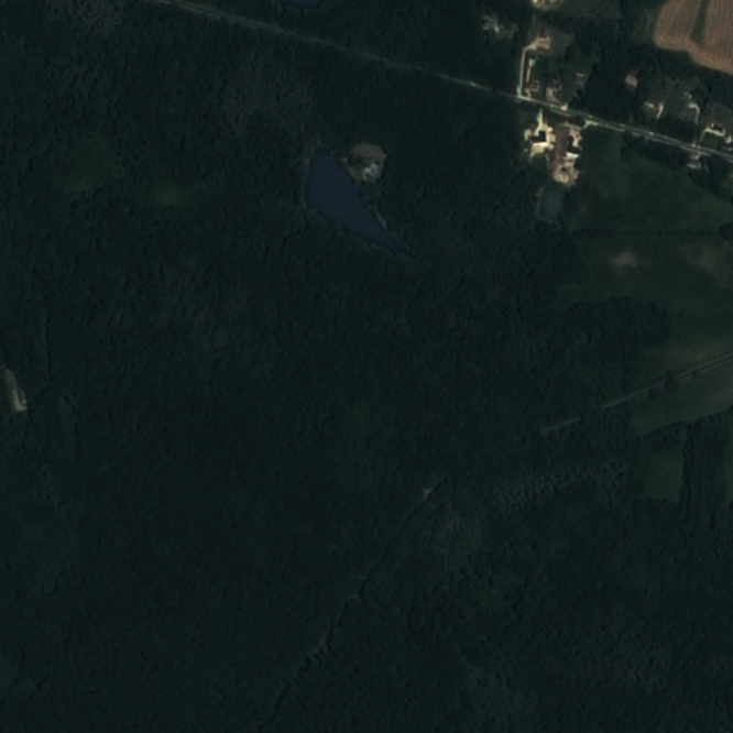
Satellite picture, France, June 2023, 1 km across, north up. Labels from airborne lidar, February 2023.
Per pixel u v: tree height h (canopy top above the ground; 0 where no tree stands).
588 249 0
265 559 17
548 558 28
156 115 13
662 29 0
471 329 19
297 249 25
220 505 27
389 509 17
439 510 16
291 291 16
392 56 20
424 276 25
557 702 20
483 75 23
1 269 21
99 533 27
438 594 19
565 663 18
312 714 32
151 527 25
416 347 18
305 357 20
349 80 21
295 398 17
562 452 20
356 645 32
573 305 0
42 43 21
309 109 21
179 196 0
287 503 19
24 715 35
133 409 24
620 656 17
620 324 22
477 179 15
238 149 19
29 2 23
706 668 23
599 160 0
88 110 21
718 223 0
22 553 25
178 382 28
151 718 35
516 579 25
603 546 26
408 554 22
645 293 0
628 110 22
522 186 21
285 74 21
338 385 20
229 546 23
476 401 20
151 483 23
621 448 24
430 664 21
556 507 25
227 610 29
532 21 17
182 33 22
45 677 30
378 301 19
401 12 22
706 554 28
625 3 19
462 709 20
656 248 0
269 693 31
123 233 24
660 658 23
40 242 23
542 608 17
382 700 30
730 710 25
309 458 21
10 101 21
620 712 19
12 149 6
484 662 20
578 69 0
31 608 30
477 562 19
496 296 25
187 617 30
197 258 23
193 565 22
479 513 18
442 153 16
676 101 0
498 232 23
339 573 23
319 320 20
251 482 27
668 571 24
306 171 17
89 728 33
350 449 19
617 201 0
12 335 24
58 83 22
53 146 22
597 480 25
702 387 0
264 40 19
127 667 29
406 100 24
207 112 10
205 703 33
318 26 21
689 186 0
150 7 20
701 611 21
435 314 18
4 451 15
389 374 22
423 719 23
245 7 17
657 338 21
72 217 25
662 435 16
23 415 11
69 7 21
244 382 25
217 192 7
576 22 15
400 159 22
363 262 24
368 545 18
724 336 0
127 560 20
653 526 19
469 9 23
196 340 24
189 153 22
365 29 20
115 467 25
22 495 19
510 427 21
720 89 16
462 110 22
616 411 14
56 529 22
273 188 19
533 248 20
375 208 19
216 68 14
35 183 27
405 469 23
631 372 22
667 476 0
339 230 10
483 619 7
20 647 32
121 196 11
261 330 19
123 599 27
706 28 0
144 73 13
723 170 24
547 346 11
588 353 20
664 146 19
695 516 29
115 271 18
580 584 22
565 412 17
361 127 25
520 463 23
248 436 21
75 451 13
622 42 16
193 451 20
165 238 26
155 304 19
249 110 21
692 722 18
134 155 21
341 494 21
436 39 24
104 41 20
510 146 17
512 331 22
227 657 32
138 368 25
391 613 27
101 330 22
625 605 22
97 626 28
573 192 12
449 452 18
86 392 20
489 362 18
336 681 31
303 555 23
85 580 24
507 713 16
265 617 26
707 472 30
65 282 21
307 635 29
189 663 33
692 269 0
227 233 12
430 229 21
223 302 22
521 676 18
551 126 0
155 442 21
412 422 24
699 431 17
